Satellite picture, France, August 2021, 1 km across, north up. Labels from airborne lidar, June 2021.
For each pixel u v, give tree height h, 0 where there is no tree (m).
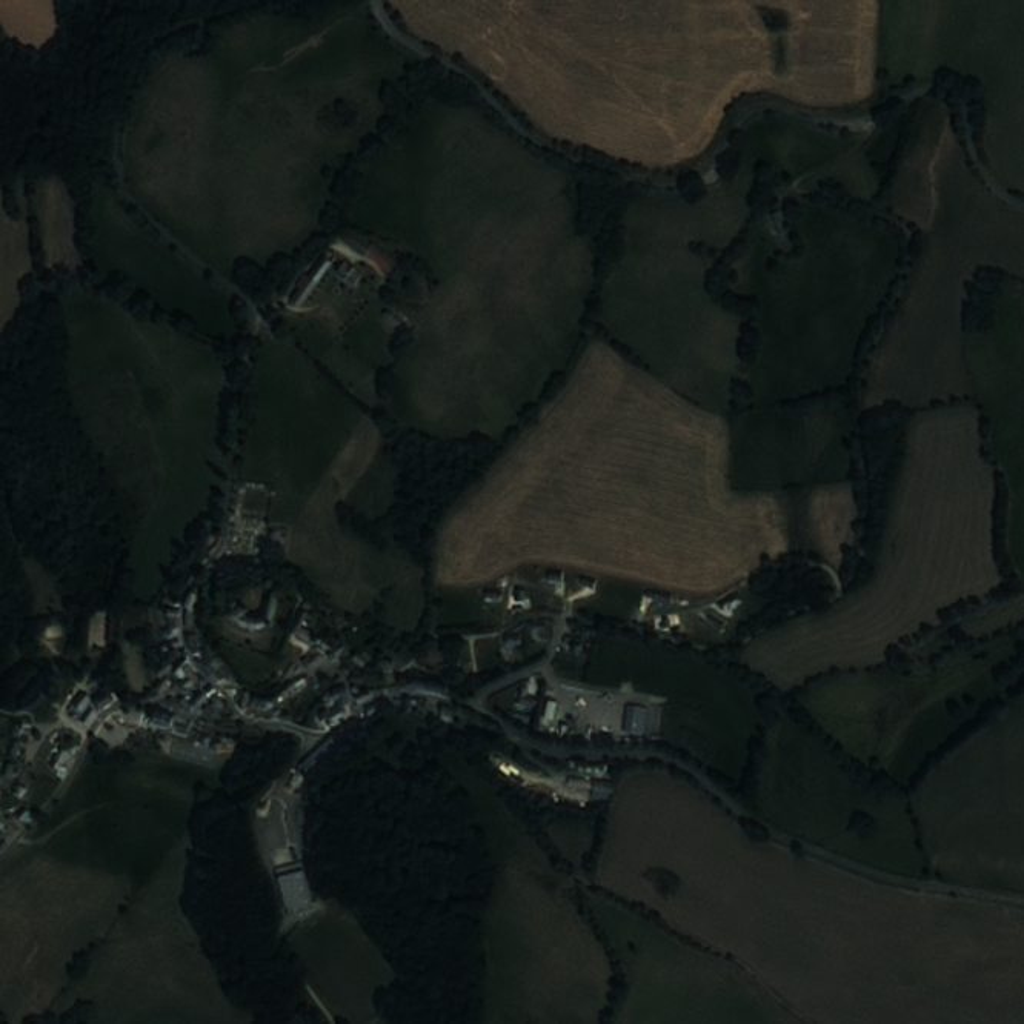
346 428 0
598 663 0
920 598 0
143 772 0
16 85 24
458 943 36
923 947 0
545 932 0
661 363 0
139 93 15
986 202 0
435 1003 29
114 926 0
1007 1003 0
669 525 0
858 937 0
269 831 0
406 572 0
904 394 0
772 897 0
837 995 0
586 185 15
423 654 15
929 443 0
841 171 0
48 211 0
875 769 9
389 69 0
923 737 0
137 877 0
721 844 0
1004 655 0
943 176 0
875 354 7
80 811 0
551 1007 0
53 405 30
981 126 11
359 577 0
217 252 0
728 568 0
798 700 14
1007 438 0
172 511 0
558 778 0
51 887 0
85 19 17
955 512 0
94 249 12
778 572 15
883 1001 0
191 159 0
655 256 0
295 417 0
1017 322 0
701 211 0
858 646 0
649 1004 0
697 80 0
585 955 0
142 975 0
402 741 12
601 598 0
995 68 0
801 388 0
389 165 0
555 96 0
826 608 17
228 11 14
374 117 0
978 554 0
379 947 20
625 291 0
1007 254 0
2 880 0
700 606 0
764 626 10
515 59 0
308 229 0
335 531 0
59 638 0
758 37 0
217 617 19
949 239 0
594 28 0
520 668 8
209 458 0
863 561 10
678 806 0
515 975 0
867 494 12
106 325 0
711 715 0
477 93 13
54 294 7
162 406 0
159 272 0
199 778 0
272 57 0
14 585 9
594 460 0
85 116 28
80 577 24
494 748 15
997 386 0
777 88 0
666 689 0
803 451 0
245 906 30
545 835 12
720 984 0
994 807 0
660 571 0
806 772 0
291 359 0
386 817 31
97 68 26
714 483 0
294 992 22
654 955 0
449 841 25
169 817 0
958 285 0
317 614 6
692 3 0
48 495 25
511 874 0
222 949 24
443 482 11
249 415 22
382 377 14
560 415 0
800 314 0
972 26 0
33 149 23
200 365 0
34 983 0
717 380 0
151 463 0
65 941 0
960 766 0
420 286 0
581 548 0
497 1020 0
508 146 0
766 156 0
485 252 0
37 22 0
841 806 0
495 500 0
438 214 0
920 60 0
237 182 0
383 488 0
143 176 0
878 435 16
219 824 25
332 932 0
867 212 11
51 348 30
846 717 0
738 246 15
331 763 25
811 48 0
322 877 19
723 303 15
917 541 0
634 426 0
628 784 0
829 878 0
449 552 0
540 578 0
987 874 0
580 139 0
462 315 0
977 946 0
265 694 7
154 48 13
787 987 0
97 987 0
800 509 0
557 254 0
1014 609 0
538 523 0
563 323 0
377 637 9
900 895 0
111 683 21
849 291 0
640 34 0
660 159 0
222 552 0
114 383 0
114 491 6
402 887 33
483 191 0
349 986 0
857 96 0
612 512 0
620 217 17
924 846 7
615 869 0
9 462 26
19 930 0
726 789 6
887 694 0
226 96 0
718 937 0
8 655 19
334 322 0
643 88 0
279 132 0
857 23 0
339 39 0
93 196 19
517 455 0
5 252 0
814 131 0
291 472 0
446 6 0
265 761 27
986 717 13
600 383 0
